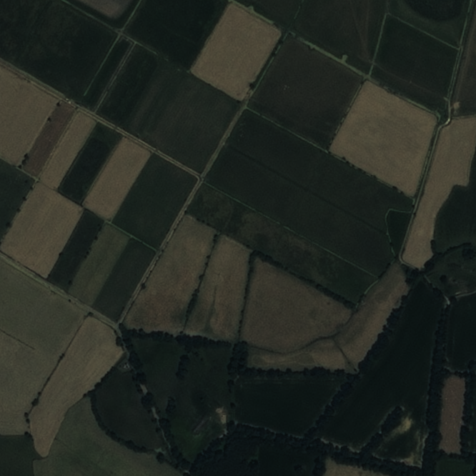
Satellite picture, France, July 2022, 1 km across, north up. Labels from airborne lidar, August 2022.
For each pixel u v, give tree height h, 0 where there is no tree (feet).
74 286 0
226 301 0
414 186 0
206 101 0
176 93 0
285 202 0
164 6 0
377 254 0
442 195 0
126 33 0
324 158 0
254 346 0
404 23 0
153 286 0
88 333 0
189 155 0
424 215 0
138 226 0
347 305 33
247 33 0
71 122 0
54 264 0
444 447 0
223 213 0
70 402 0
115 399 0
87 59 0
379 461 45
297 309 0
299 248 0
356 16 0
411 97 0
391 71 0
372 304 0
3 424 0
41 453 0
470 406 56
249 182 0
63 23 0
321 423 48
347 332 0
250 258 26
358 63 0
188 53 0
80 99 0
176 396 0
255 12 0
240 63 0
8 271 0
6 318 0
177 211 0
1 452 0
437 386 69
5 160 0
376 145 0
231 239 0
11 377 0
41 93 0
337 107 0
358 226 0
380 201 0
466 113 0
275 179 0
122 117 0
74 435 0
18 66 0
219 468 64
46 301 0
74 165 0
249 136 0
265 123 0
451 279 0
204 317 0
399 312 39
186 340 56
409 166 0
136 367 52
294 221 0
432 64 0
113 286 0
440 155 0
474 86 0
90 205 0
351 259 0
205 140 0
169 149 0
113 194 0
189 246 0
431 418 50
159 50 0
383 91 0
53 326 0
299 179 0
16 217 0
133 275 0
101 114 0
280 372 47
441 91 0
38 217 0
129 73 0
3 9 0
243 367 61
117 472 0
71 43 0
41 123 0
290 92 0
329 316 0
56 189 0
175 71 0
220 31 0
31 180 0
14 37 0
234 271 0
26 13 0
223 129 0
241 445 60
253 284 0
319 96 0
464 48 0
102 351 0
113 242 0
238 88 0
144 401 53
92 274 0
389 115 0
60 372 0
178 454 47
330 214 0
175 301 0
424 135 0
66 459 0
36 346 0
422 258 0
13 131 0
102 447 0
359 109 0
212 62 0
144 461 0
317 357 0
